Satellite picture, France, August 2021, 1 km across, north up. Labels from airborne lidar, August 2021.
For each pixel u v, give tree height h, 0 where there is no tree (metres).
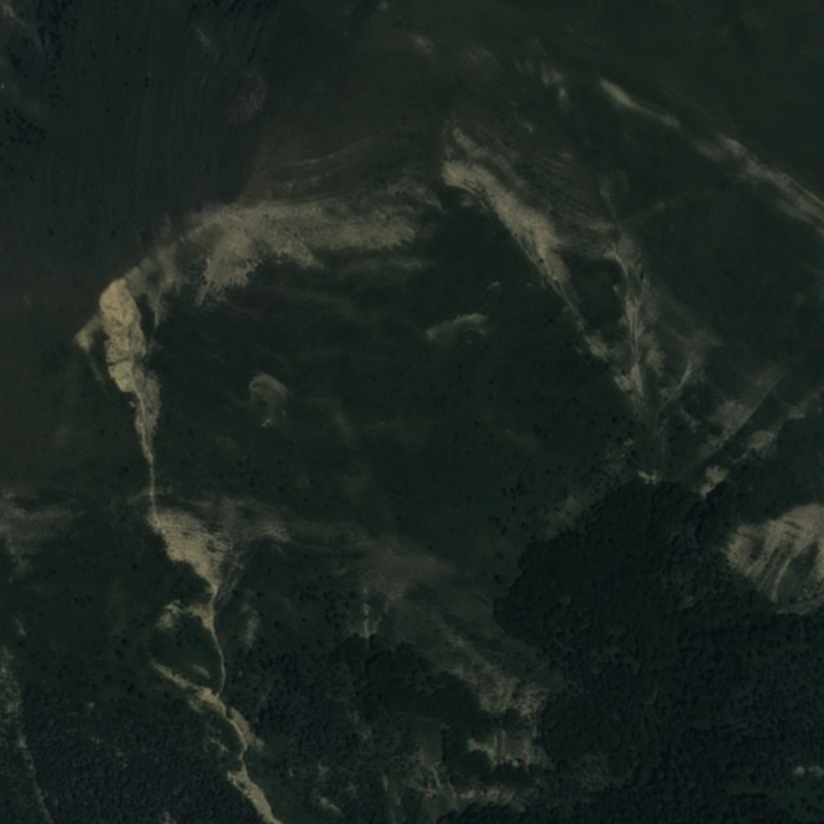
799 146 0
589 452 0
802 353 0
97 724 6
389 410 0
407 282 0
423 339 0
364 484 0
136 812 13
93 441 0
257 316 0
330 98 0
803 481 0
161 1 0
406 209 0
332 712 15
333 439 0
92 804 10
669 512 7
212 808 11
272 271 0
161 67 0
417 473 0
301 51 0
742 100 0
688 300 0
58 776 7
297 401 0
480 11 0
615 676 13
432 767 0
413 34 0
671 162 0
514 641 6
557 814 15
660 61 0
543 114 0
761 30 0
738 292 0
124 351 0
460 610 0
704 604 12
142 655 0
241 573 0
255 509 0
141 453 0
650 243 0
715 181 0
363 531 0
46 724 10
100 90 0
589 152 0
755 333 0
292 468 0
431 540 0
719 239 0
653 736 19
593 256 0
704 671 25
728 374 0
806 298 0
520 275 0
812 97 0
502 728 6
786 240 0
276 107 0
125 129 0
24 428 0
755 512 0
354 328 0
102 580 0
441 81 0
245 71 0
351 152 0
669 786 25
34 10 0
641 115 0
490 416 0
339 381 0
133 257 0
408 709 11
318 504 0
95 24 0
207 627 0
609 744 22
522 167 0
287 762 9
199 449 0
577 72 0
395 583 0
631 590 17
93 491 0
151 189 0
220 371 0
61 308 0
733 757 12
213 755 7
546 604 20
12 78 0
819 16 0
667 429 0
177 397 0
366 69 0
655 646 15
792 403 0
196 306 0
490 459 0
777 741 18
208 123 0
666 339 0
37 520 0
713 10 0
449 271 0
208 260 0
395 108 0
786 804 0
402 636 0
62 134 0
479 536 0
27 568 0
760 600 17
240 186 0
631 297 0
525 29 0
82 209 0
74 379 0
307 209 0
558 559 17
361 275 0
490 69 0
